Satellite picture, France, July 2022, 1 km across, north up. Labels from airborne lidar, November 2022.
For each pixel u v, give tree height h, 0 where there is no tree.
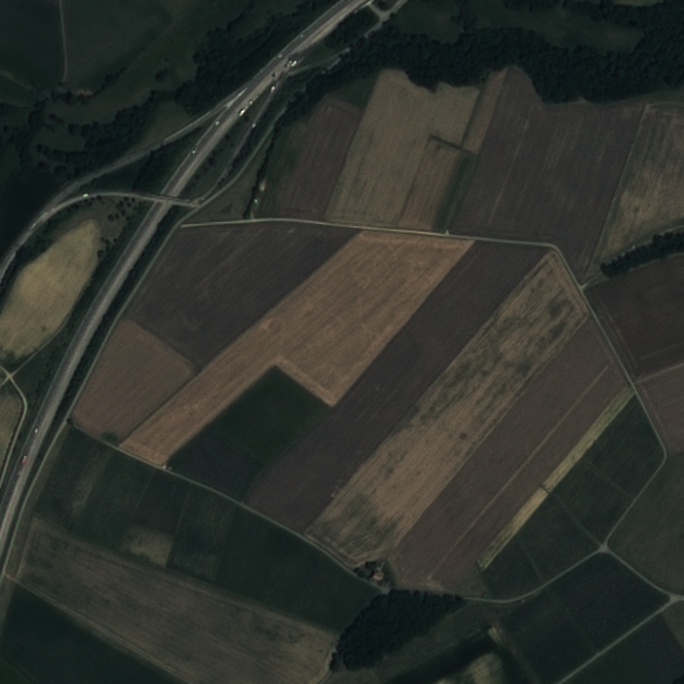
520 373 0
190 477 0
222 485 0
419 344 0
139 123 22
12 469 0
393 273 0
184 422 0
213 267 0
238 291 0
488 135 0
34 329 0
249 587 0
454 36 0
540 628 0
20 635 0
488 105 0
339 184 0
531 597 0
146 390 0
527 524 0
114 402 0
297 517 0
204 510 0
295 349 0
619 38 0
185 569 0
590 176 0
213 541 0
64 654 0
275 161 0
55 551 0
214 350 0
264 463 0
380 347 0
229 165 0
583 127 0
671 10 21
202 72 16
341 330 0
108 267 7
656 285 0
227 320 0
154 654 0
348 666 20
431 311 0
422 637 15
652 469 0
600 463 0
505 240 0
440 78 20
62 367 0
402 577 0
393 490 0
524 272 0
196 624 0
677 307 0
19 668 0
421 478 0
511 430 0
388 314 0
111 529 0
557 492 0
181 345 0
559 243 0
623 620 0
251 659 0
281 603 0
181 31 0
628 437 0
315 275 0
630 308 0
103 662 0
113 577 0
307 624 0
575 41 0
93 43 0
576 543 0
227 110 0
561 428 0
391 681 0
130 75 0
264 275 0
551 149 0
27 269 0
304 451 0
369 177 0
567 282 0
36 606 0
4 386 0
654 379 0
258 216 0
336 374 0
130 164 0
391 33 12
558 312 0
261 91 0
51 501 0
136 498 0
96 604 0
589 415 0
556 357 0
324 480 0
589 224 0
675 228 0
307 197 0
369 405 0
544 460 0
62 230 0
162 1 0
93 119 0
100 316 0
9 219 0
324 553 0
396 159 0
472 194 0
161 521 0
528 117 0
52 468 0
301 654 0
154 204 0
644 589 0
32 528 0
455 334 0
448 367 0
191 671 0
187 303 0
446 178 0
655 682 0
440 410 0
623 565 0
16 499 0
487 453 0
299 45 0
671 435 0
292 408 0
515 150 0
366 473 0
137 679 0
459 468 0
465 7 18
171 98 7
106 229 0
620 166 0
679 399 0
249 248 0
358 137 0
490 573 0
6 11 0
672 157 0
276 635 0
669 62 26
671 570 0
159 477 0
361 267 0
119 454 0
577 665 0
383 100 0
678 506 0
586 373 0
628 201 0
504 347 0
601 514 0
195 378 0
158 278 0
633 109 0
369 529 0
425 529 0
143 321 0
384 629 22
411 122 0
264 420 0
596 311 0
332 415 0
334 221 0
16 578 0
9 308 0
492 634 0
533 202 0
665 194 0
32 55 0
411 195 0
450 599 17
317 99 14
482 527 0
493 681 0
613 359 0
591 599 0
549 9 8
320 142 0
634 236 0
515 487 0
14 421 0
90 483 0
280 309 0
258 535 0
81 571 0
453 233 0
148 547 0
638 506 0
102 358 0
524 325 0
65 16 0
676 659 0
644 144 0
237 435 0
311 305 0
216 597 0
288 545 0
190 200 0
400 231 0
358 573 11
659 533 0
